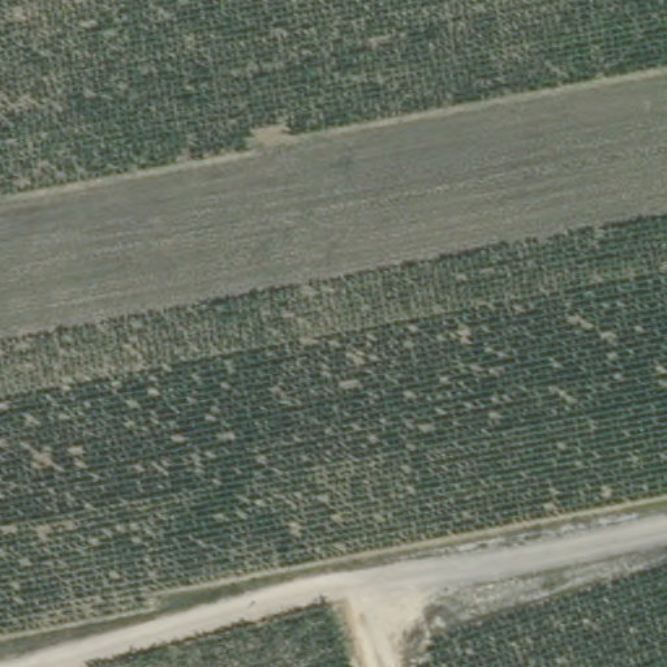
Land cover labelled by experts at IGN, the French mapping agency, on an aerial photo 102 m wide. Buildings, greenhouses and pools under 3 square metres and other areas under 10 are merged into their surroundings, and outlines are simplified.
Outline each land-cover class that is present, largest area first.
<instances>
[{"label":"vineyard","instance_id":"1","mask_svg":"<svg viewBox=\"0 0 667 667\"><path fill-rule=\"evenodd\" d=\"M667 65V0H0V195L31 193L39 188L68 185L91 177L122 175L130 169L164 167L172 164L177 156L201 159L221 151H245V141L250 138V133L266 125H287L289 133H313L349 122L409 115L419 109L466 104L513 91L552 89L591 81L597 76H620ZM667 513V214L581 227L565 234H552L547 237V242L526 237L459 253H443L438 258L406 261L401 266L365 268L334 279H310V284L302 289L297 284H281L268 289H250L245 294L201 300L195 305H177L159 313H128L109 320L57 326L55 331L0 339V662L18 659L60 644L102 636L109 631L151 623L175 612H185L201 604L240 597L266 586H279L297 578L378 568L401 560H430L448 555L469 558L479 550L498 552L505 547L532 545L539 539L573 537L578 532L615 529L638 521L641 516L646 518ZM401 667H667V545L597 555L545 571H524L505 573L500 578L464 581L451 597H438L433 604H427L414 628L404 633ZM354 649V638L341 631L331 604L326 599H318L305 607L266 615L261 620H240L195 636L164 641L149 649L91 659L83 667H352L349 657Z\"/></svg>","mask_w":667,"mask_h":667},{"label":"agricultural land","instance_id":"2","mask_svg":"<svg viewBox=\"0 0 667 667\"><path fill-rule=\"evenodd\" d=\"M667 214V65L620 76H597L591 81L552 89L513 91L466 104L419 109L409 115L349 122L313 133H289L287 125H266L250 133V138L245 141V151H221L201 159L177 156L172 164L164 167L130 169L122 175L91 177L68 185L39 188L31 193L0 195V339L55 331L57 326L109 320L128 313H159L177 305H195L201 300L245 294L250 289H268L281 284H297L302 289L310 284V279H334L365 268L401 266L406 261L438 258L443 253H459L526 237L547 242V237L552 234H565L581 227Z\"/></svg>","mask_w":667,"mask_h":667},{"label":"pervious surface","instance_id":"3","mask_svg":"<svg viewBox=\"0 0 667 667\"><path fill-rule=\"evenodd\" d=\"M667 545V513L646 518L641 516L638 521L615 529L578 532L573 537L539 539L532 545L505 547L498 552L479 550L469 558L448 555L430 560H401L378 568L297 578L279 586H266L240 597L201 604L185 612H175L151 623L109 631L102 636L60 644L18 659L0 662V667H83L91 659L149 649L164 641L195 636L240 620H261L266 615L305 607L318 599H326L331 604L341 631L354 638V649L349 657L352 667H401L404 633L414 628L427 604H433L438 597H451L464 581L500 578L505 573L524 571H545L597 555Z\"/></svg>","mask_w":667,"mask_h":667}]
</instances>
